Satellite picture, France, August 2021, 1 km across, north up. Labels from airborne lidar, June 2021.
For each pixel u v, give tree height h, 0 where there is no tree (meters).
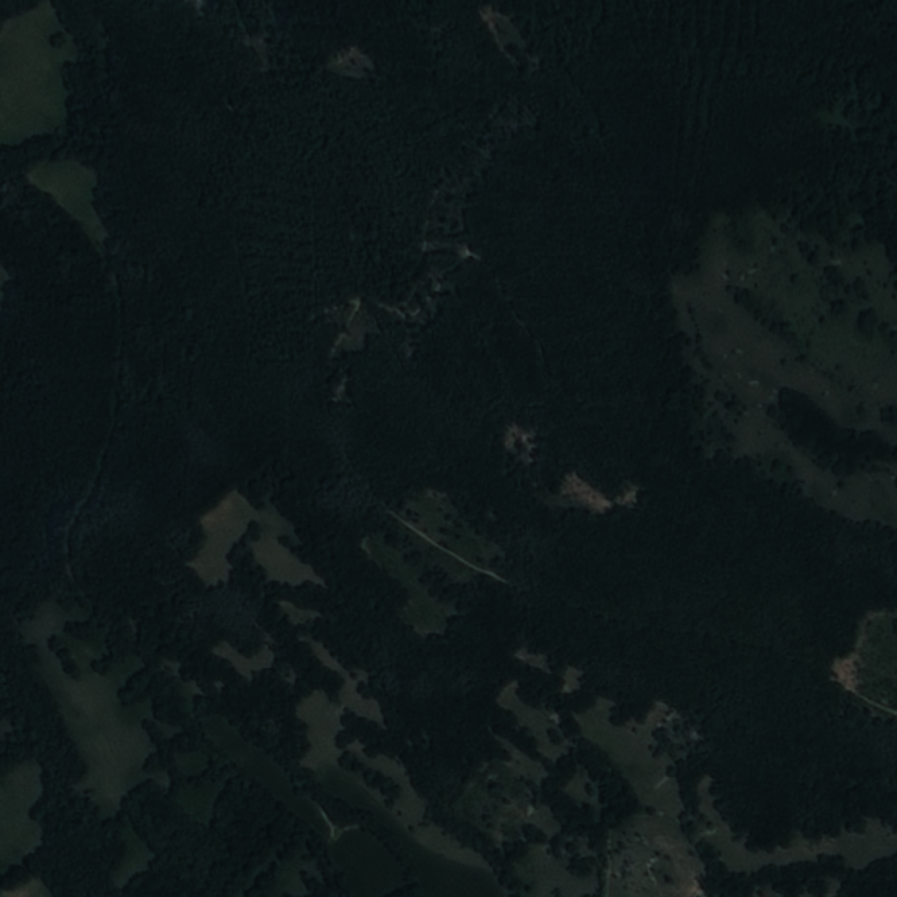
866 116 15
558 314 13
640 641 21
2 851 0
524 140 15
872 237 14
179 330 15
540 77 10
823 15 30
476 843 17
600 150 18
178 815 16
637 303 15
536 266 12
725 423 7
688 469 16
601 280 14
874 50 30
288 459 13
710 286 0
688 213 13
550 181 13
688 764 10
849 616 16
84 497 9
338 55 18
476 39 18
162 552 18
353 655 17
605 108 18
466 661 15
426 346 19
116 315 17
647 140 18
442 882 0
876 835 0
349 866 0
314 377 13
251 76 17
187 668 12
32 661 14
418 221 7
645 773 0
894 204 14
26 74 0
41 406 22
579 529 16
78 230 19
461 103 16
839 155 22
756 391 0
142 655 15
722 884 9
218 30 10
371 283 12
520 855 13
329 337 13
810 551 18
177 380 14
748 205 10
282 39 12
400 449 16
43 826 10
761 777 15
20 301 22
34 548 20
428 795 16
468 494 17
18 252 30
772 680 14
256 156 13
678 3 22
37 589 13
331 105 12
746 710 16
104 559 13
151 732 17
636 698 13
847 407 0
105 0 21
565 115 10
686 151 12
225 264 13
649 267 13
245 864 15
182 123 24
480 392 14
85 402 23
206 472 16
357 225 8
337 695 8
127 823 12
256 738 12
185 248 16
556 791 13
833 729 13
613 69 18
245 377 13
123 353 10
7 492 25
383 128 11
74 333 20
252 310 8
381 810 0
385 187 13
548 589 17
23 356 17
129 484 16
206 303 14
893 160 14
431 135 14
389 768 0
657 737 12
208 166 19
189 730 15
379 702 11
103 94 18
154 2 15
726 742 15
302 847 16
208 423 19
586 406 8
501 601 16
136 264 22
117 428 17
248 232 7
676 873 0
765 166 16
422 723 16
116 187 21
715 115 15
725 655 19
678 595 18
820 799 16
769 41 22
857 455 18
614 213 14
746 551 19
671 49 19
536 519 16
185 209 13
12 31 0
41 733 20
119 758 0
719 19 24
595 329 12
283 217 6
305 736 10
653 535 16
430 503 0
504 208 13
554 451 16
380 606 14
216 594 16
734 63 14
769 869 10
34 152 18
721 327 0
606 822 12
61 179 0
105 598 14
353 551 16
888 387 0
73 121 13
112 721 0
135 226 20
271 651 6
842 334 0
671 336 6
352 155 7
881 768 15
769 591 16
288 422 11
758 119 13
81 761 12
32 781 0
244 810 15
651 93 18
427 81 18
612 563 18
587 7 19
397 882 0
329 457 14
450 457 15
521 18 13
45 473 21
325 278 11
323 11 23
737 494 17
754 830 15
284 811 17
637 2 17
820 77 9
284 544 11
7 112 0
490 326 10
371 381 15
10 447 26
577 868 10
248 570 13
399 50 19
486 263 15
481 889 0
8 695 16
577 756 11
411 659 17
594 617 15
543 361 15
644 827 0
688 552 16
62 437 24
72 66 17
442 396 16
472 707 16
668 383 11
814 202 14
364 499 13
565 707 15
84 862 19
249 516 0
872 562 17
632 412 14
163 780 0
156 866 13
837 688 15
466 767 12
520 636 9
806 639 18
